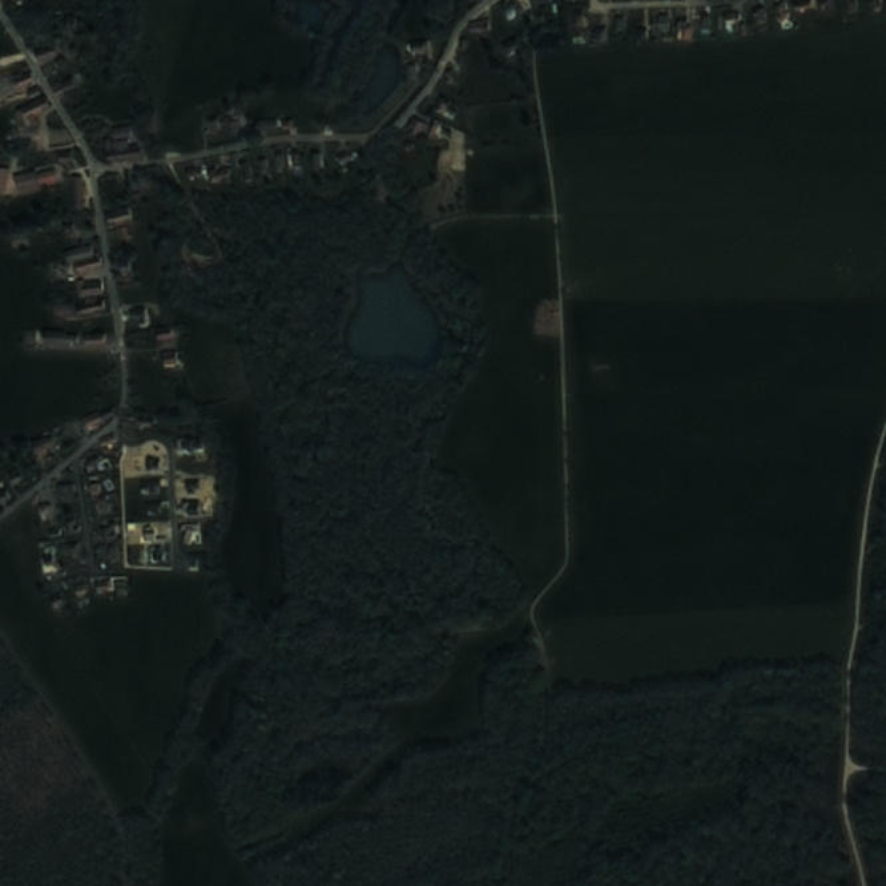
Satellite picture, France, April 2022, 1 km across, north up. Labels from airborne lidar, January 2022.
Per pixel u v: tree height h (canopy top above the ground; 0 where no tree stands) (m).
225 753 24
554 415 0
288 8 18
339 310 24
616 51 0
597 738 24
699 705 24
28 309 0
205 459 0
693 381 0
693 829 22
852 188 0
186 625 0
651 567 0
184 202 18
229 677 0
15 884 15
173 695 0
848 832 0
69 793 14
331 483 20
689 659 0
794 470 0
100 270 0
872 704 23
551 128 0
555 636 0
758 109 0
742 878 22
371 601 18
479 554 16
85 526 0
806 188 0
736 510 0
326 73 18
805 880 22
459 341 22
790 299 0
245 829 22
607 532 0
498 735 24
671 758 27
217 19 0
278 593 0
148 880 22
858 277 0
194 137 0
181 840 0
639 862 28
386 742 19
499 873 19
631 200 0
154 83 0
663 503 0
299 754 26
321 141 0
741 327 0
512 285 0
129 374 0
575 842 15
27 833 16
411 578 19
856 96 0
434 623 25
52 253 0
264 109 0
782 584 0
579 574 0
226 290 23
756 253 0
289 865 23
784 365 0
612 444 0
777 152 0
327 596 21
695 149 0
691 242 0
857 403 0
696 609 0
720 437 0
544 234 0
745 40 0
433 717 0
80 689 0
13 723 0
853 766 0
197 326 0
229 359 0
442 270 24
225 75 0
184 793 0
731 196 0
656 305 0
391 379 25
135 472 0
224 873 0
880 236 0
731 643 0
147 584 0
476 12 0
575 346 0
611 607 0
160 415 11
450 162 0
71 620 0
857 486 0
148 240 0
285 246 26
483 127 0
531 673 23
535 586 0
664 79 0
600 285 0
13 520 0
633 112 0
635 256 0
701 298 0
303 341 19
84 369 0
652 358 0
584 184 0
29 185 0
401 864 12
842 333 0
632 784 24
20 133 0
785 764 25
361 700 25
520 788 22
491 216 0
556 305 0
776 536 0
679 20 6
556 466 0
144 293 0
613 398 0
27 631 0
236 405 0
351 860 11
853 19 0
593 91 0
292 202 26
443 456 0
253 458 0
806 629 0
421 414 17
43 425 0
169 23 0
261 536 0
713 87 0
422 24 0
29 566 0
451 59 0
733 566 0
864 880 0
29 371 0
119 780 0
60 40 12
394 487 21
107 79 11
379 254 23
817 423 0
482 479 0
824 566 0
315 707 25
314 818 0
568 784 24
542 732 16
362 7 12
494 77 0
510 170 0
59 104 0
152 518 0
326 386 21
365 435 19
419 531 21
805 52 0
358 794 0
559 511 0
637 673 0
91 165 0
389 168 20
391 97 0
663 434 0
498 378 0
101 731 0
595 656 0
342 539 26
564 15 5
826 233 0
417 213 13
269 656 25
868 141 0
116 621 0
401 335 0
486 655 0
